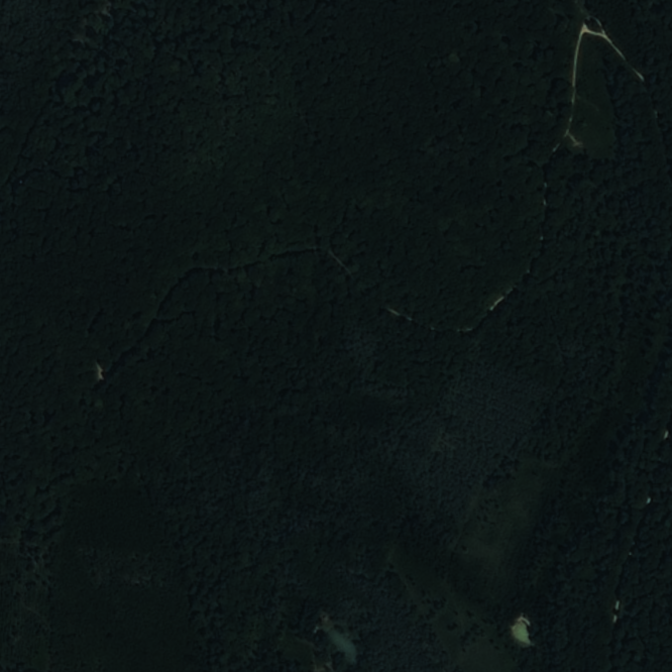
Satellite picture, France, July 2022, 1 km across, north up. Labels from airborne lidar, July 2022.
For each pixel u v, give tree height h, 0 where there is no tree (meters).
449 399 16
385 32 27
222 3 29
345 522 29
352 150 30
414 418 21
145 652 6
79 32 32
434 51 28
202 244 34
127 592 15
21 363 29
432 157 28
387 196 30
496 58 35
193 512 23
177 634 8
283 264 31
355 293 29
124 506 14
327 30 27
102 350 30
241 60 27
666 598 28
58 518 29
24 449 28
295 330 29
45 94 28
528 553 8
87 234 30
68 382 31
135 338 29
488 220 31
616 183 24
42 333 29
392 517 20
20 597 12
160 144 28
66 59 31
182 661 15
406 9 26
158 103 30
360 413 14
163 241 30
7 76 26
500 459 17
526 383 18
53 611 10
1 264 25
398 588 24
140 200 21
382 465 15
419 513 13
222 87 22
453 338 27
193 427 27
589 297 29
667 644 31
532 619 9
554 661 22
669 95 33
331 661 21
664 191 29
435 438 16
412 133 30
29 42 26
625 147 27
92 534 15
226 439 23
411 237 29
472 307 21
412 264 27
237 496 28
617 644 20
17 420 33
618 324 28
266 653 11
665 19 30
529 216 34
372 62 30
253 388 29
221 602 32
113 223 28
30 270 31
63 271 31
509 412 16
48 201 30
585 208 25
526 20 36
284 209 31
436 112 30
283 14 30
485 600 6
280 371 30
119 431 30
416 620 17
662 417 29
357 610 23
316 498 10
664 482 28
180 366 32
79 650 11
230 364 31
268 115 22
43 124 29
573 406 25
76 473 30
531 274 6
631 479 30
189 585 22
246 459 15
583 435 11
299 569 28
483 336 24
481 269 25
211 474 27
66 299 28
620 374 24
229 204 31
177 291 29
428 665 16
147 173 28
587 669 24
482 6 31
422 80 31
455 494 17
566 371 21
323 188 30
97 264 28
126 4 7
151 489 24
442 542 19
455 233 33
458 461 11
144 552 16
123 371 29
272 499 24
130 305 30
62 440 29
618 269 22
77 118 32
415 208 31
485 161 34
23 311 26
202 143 19
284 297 27
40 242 29
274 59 23
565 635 28
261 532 31
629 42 12
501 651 19
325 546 26
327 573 27
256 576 25
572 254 19
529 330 29
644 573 27
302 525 21
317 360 29
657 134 31
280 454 23
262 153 28
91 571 13
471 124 28
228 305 31
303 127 30
